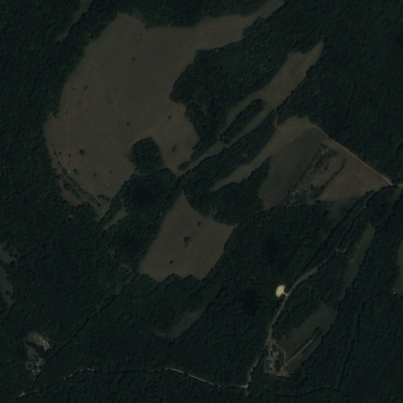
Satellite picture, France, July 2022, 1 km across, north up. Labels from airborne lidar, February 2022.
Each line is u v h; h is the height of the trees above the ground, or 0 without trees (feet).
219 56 21
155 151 47
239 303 82
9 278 39
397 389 24
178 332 0
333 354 58
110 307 46
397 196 0
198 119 56
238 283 68
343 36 54
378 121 24
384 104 58
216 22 0
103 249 44
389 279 32
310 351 0
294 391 50
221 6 22
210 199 59
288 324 62
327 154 35
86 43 29
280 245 65
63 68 44
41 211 49
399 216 63
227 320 38
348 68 65
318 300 39
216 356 40
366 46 59
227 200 67
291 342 0
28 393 26
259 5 20
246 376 45
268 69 32
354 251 54
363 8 62
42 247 44
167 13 42
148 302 52
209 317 50
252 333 56
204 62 60
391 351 47
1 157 40
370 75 57
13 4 49
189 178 27
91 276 32
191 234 0
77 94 0
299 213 47
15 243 43
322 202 47
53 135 0
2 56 47
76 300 43
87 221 47
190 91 66
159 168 34
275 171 0
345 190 0
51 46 44
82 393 67
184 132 0
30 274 50
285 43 25
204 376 57
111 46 0
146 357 67
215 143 37
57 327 49
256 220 25
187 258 0
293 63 0
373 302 49
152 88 0
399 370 23
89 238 37
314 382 66
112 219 33
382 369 52
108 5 49
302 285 46
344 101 51
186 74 33
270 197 0
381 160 29
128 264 38
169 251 0
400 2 48
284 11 53
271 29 29
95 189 0
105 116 0
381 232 53
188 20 51
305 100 31
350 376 54
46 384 34
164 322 54
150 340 37
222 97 53
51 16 43
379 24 53
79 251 39
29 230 28
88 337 33
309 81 24
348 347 52
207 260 0
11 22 53
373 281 57
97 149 0
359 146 60
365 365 36
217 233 0
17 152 58
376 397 43
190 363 38
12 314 41
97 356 62
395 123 71
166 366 39
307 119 0
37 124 42
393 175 30
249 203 43
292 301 41
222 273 66
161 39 0
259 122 0
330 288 67
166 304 51
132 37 0
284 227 57
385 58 59
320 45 0
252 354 53
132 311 52
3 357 55
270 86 0
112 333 46
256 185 46
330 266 48
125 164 0
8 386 57
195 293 29
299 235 50
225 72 30
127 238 58
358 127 69
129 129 0
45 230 44
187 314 0
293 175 0
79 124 0
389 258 37
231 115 0
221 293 37
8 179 40
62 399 62
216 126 43
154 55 0
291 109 36
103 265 43
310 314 46
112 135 0
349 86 61
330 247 32
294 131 0
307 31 41
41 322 46
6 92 58
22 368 51
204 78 47
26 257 45
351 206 0
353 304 67
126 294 23
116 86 0
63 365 32
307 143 0
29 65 35
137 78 0
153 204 58
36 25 57
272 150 0
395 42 56
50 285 43
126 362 60
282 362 0
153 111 0
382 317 22
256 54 34
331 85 44
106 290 41
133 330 64
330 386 48
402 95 60
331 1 48
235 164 44
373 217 43
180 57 0
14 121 43
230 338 70
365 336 41
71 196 0
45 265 63
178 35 0
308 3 45
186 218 0
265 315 51
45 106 52
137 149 41
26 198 41
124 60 0
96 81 0
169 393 51
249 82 44
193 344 52
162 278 0
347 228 26
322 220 53
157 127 0
